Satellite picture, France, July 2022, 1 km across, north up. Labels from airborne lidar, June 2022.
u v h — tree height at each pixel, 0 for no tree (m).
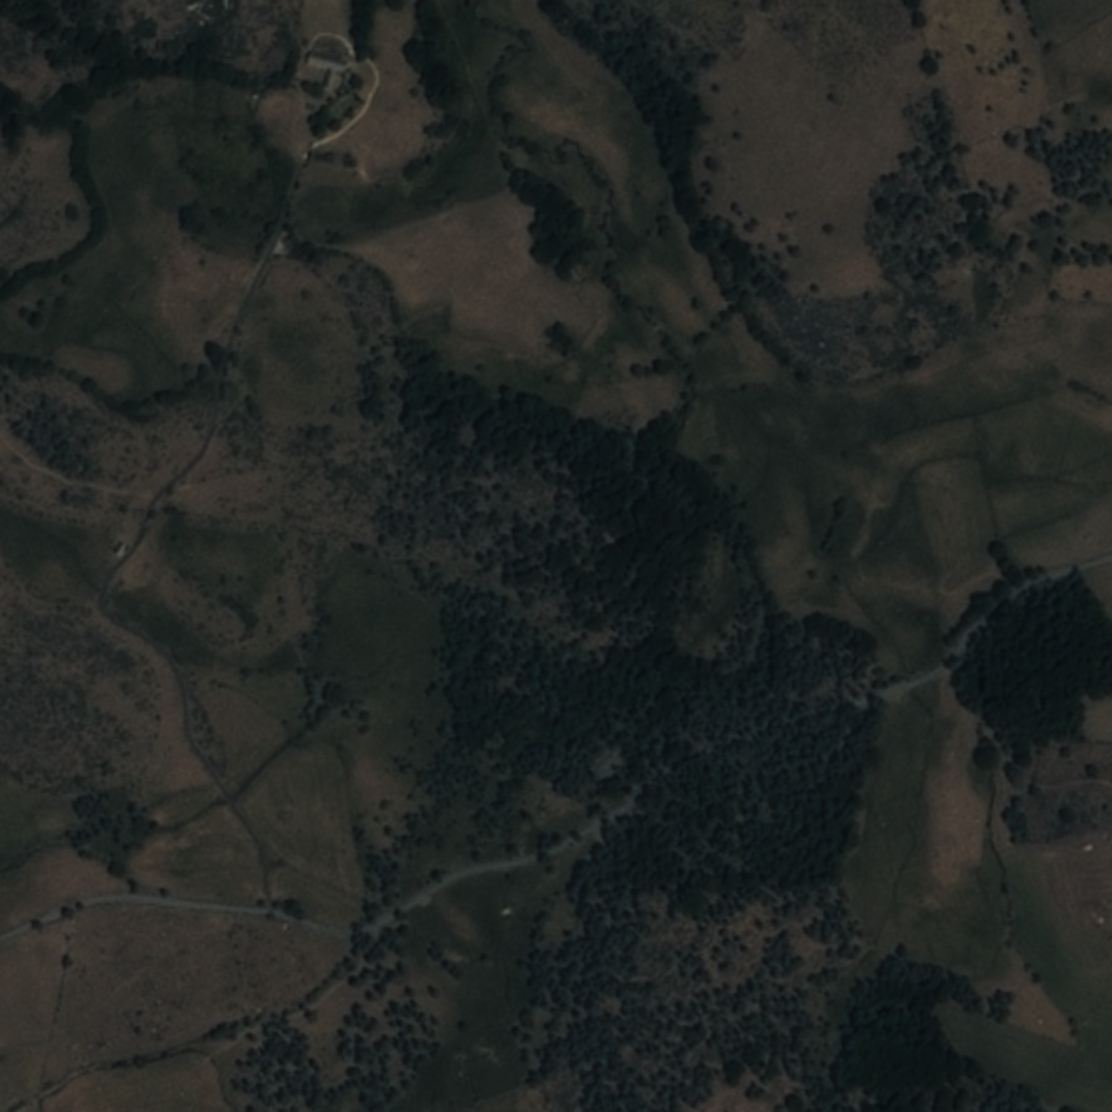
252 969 0
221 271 0
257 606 0
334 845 0
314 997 7
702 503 19
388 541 11
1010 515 0
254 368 0
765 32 0
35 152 0
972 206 14
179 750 0
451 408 16
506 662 15
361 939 14
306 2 0
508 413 22
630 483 16
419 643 0
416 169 9
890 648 0
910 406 0
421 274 0
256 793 0
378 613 0
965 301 0
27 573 0
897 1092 12
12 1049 0
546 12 17
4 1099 0
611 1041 16
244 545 0
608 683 10
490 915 0
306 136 0
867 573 0
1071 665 18
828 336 0
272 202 0
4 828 0
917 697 0
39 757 0
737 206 7
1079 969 0
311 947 0
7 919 0
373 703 0
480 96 0
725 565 0
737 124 0
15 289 11
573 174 0
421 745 0
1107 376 0
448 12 0
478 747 14
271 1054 16
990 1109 14
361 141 0
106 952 0
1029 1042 0
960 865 0
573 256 17
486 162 0
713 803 6
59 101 7
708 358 0
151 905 0
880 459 0
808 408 0
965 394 0
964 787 0
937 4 0
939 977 20
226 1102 0
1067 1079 0
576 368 0
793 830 10
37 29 14
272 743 0
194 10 0
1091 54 0
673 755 15
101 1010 0
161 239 0
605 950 20
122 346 0
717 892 9
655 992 15
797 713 14
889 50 0
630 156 0
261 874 0
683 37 0
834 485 0
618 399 0
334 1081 0
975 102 0
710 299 0
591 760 11
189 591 0
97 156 0
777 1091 0
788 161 0
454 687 12
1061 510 0
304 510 0
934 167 9
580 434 14
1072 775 0
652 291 0
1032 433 0
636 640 6
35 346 0
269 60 0
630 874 16
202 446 0
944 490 0
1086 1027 0
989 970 0
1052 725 15
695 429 0
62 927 0
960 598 0
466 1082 0
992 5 0
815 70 0
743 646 9
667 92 22
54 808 0
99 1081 0
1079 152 12
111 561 0
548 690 16
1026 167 0
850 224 0
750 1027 16
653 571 18
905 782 0
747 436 0
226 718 0
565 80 0
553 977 11
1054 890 0
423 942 0
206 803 0
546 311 0
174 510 6
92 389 12
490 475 10
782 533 0
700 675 16
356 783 0
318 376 0
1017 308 0
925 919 0
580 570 11
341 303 0
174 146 0
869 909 0
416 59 17
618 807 0
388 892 11
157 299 0
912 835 0
